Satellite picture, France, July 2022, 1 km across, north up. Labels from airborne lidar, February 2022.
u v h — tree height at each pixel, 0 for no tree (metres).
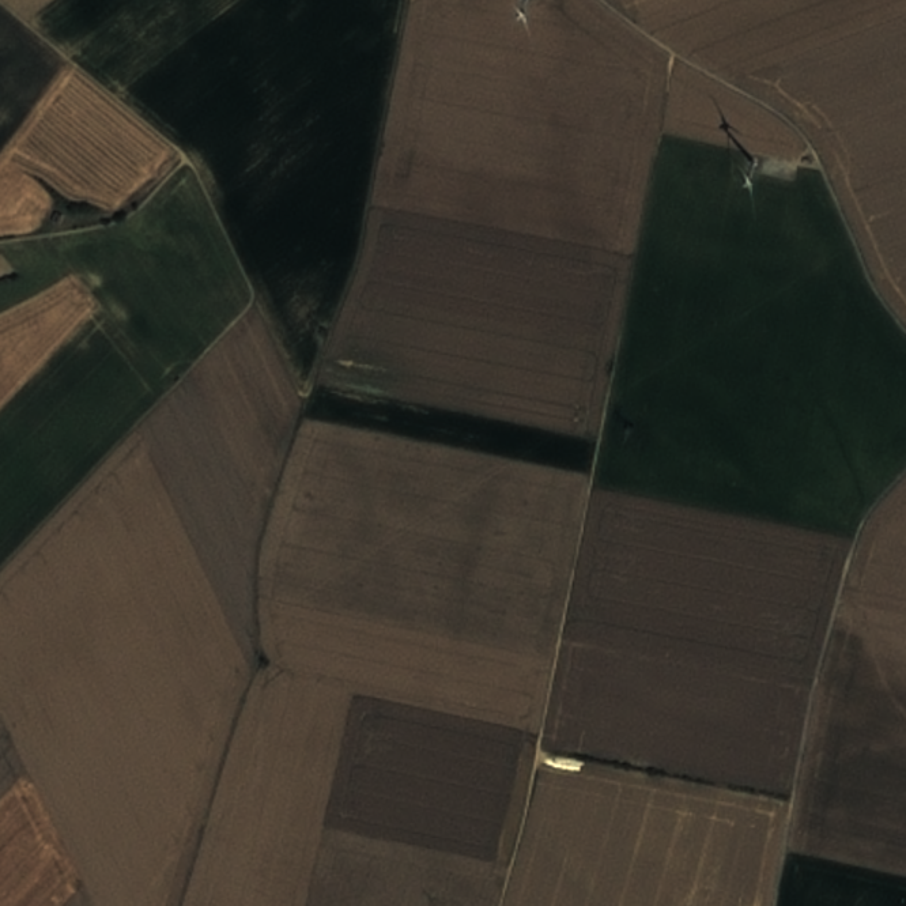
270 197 0
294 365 0
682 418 0
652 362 0
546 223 0
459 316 0
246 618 0
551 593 0
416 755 0
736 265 0
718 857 0
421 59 0
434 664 0
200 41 0
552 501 0
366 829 0
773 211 0
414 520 0
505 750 0
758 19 0
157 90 0
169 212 0
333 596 0
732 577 0
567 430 0
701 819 0
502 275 0
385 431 0
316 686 0
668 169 0
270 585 0
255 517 0
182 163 0
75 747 0
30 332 0
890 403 0
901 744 0
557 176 0
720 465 0
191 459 0
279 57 0
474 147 0
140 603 0
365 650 0
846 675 0
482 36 0
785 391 0
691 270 0
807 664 0
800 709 0
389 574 0
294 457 0
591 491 0
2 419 0
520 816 0
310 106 0
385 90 0
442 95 0
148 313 0
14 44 0
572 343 0
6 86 0
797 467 0
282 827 0
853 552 0
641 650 0
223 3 0
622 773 0
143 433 0
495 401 0
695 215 0
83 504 0
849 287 0
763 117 0
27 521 0
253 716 0
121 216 10
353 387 0
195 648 0
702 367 0
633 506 0
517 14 0
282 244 0
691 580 0
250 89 0
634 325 0
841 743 0
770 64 0
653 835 0
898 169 0
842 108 0
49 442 0
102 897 0
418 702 0
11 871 0
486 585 0
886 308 0
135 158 0
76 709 0
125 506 0
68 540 0
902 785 0
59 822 0
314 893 0
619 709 0
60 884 0
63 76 0
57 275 0
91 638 0
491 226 0
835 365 0
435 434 0
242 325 0
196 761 0
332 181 0
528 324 0
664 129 0
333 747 0
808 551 0
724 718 0
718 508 0
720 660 0
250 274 0
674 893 0
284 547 0
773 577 0
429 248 0
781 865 0
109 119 0
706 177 0
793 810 0
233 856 0
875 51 0
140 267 0
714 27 0
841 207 0
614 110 0
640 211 0
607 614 0
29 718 0
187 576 0
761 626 0
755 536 0
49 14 0
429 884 0
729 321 0
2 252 0
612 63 0
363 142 0
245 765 0
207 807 0
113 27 0
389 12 0
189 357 0
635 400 0
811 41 0
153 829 0
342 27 0
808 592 0
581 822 0
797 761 0
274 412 0
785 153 0
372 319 0
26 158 0
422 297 0
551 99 0
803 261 0
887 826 0
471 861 0
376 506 0
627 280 0
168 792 0
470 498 0
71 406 0
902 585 0
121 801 0
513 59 0
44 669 0
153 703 0
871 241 0
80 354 0
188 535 0
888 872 0
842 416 0
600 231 0
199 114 0
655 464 0
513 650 0
